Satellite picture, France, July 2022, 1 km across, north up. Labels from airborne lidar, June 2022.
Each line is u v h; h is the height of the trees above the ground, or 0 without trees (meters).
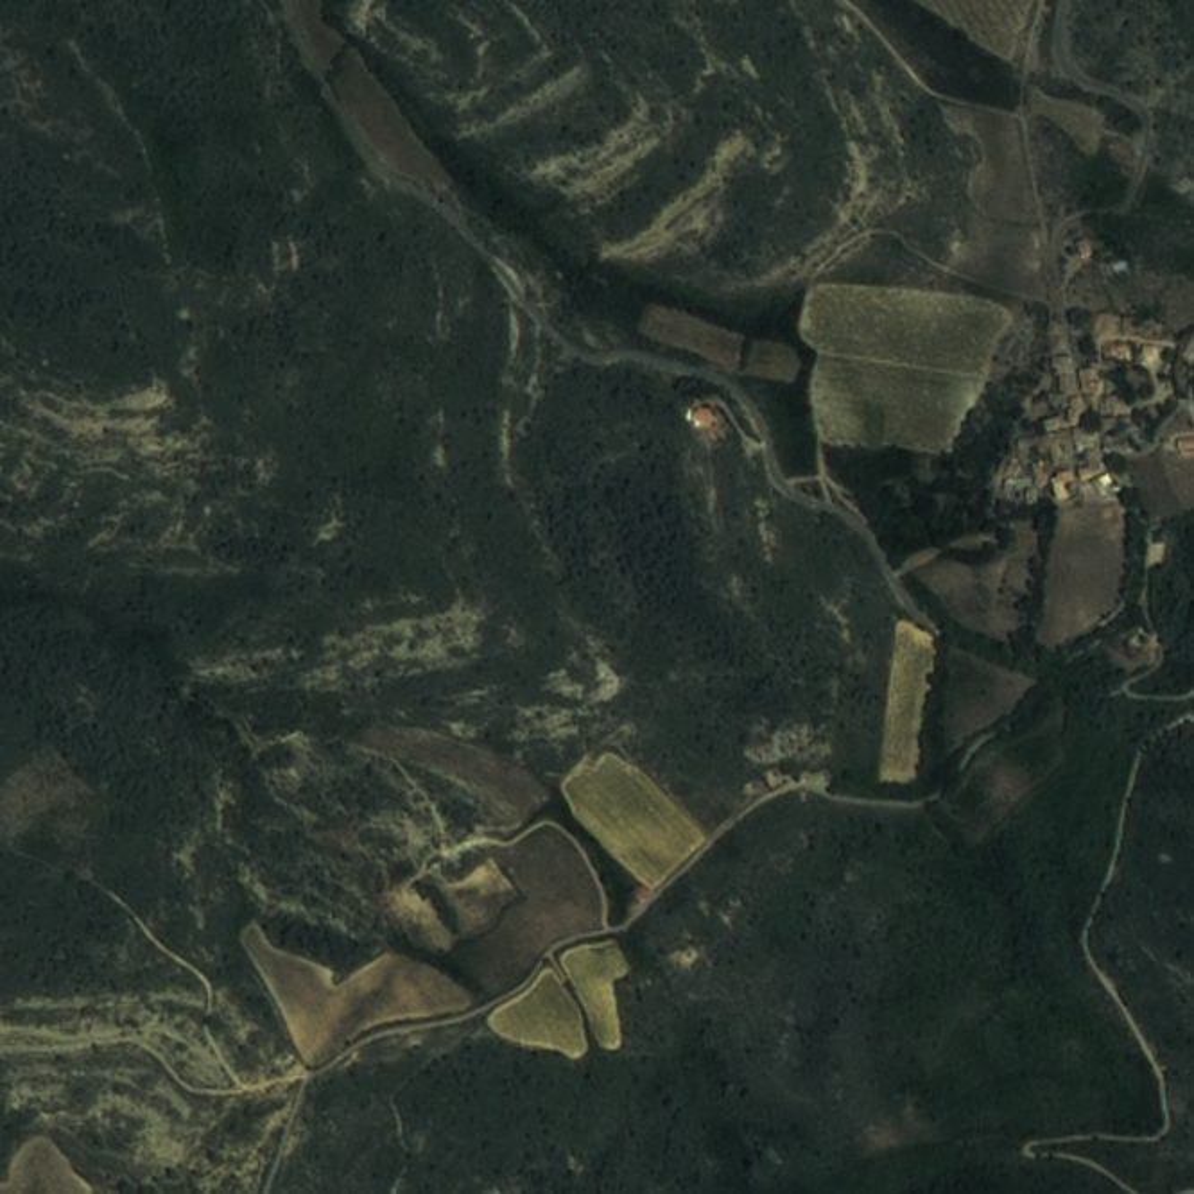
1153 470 0
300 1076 0
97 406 0
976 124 0
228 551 12
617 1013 0
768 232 0
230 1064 0
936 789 10
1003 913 5
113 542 0
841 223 0
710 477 0
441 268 0
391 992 0
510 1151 0
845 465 8
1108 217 8
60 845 0
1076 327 8
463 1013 0
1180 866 0
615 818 0
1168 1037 5
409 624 0
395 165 0
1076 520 0
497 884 0
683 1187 8
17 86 0
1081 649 8
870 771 6
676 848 0
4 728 0
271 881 0
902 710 0
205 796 9
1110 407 0
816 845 7
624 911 0
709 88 0
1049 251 0
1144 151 0
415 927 0
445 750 0
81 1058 0
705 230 0
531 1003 0
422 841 0
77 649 13
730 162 0
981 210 0
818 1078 0
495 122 0
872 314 0
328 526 0
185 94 8
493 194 6
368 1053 0
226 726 8
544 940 0
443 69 0
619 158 0
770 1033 0
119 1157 0
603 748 0
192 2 6
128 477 0
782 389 6
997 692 0
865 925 0
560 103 0
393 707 0
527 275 0
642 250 0
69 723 12
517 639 0
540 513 7
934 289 0
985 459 8
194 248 7
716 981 0
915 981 8
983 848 10
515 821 0
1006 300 0
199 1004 0
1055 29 0
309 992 0
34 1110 0
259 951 0
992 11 0
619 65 0
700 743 7
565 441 6
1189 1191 0
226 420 0
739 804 0
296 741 0
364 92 0
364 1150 0
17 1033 0
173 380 0
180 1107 0
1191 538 8
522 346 0
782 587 7
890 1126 0
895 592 0
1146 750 7
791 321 5
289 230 8
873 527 8
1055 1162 7
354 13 0
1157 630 9
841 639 0
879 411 0
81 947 8
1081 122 0
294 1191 0
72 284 8
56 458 0
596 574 8
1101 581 0
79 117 0
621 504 8
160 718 11
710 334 0
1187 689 6
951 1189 7
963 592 0
